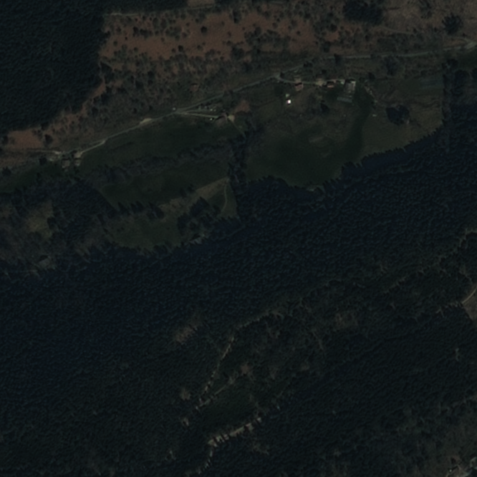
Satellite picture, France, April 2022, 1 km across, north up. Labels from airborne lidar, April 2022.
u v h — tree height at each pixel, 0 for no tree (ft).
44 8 61
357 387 105
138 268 86
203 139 0
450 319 98
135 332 67
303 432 82
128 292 105
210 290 88
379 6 37
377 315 88
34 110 84
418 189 103
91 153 0
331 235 101
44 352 84
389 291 23
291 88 35
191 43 0
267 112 0
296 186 0
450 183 93
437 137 41
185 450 67
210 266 86
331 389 115
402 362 105
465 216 84
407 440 73
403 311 26
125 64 25
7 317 59
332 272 84
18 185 0
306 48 0
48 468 83
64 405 78
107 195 0
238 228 79
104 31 53
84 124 47
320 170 0
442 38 65
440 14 0
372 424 52
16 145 0
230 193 0
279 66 0
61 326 83
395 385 101
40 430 52
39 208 54
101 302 89
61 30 91
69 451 67
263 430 100
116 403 75
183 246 34
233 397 20
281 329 26
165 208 0
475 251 74
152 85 23
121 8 52
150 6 76
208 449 74
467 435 55
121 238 0
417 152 79
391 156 0
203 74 31
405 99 0
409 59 25
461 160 96
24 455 54
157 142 0
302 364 60
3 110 88
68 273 54
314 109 0
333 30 52
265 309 93
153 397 93
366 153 0
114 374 77
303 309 31
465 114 92
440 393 73
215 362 73
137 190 0
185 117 0
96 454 58
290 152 0
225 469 95
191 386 49
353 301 27
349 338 27
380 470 69
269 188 60
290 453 118
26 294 68
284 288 89
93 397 80
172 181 0
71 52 97
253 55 23
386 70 47
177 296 93
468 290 29
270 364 28
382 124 0
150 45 0
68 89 85
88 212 74
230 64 49
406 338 93
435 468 22
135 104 63
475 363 100
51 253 52
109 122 39
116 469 63
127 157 0
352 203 86
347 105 0
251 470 97
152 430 105
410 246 70
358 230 89
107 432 86
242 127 0
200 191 0
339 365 32
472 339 111
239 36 0
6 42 107
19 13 106
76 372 77
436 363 103
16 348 89
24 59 95
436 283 33
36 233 0
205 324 0
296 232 94
